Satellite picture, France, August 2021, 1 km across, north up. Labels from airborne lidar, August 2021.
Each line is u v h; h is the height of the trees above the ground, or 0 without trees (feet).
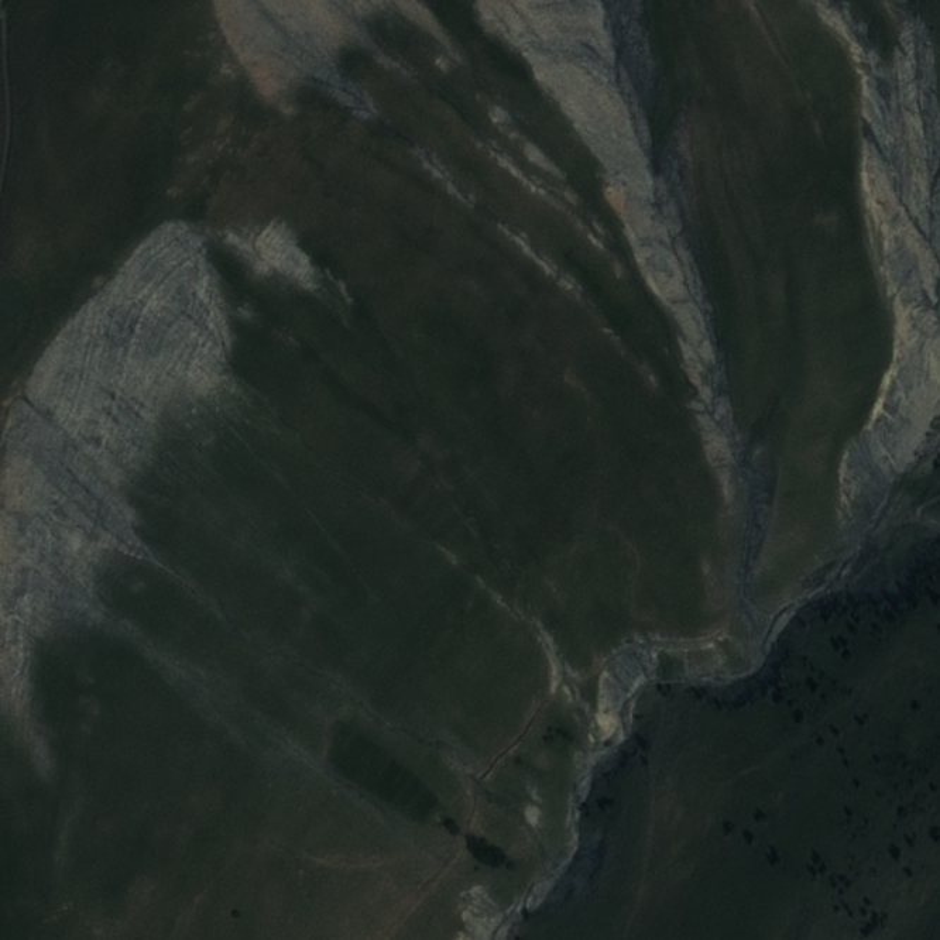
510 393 0
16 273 0
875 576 0
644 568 0
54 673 0
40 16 0
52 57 0
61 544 0
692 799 0
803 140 0
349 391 0
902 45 0
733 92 0
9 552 0
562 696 0
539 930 0
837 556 0
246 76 0
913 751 0
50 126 0
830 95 0
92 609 0
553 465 0
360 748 0
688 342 0
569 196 0
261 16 0
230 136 0
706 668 0
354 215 0
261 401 0
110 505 0
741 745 0
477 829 0
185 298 0
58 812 0
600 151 0
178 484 0
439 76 0
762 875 0
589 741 0
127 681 0
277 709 0
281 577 0
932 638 0
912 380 0
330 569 0
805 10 0
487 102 0
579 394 0
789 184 0
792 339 0
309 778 0
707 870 0
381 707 0
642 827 0
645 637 0
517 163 0
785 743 0
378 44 0
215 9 0
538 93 0
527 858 0
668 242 0
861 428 0
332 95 0
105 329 0
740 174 0
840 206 0
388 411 0
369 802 0
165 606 0
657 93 0
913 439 0
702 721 0
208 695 0
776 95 0
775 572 0
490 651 0
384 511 0
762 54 0
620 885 0
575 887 0
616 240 0
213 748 0
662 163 0
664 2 0
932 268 0
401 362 0
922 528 0
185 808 0
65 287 0
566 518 0
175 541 0
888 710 0
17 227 0
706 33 0
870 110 0
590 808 23
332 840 0
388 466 0
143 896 0
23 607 0
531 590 0
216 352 0
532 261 0
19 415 0
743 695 0
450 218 0
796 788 0
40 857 0
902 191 0
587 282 0
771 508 0
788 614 0
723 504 0
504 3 0
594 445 0
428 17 0
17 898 0
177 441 0
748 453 0
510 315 0
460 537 0
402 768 0
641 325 0
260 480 0
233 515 0
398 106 0
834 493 0
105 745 0
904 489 0
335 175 0
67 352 0
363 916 0
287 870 0
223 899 0
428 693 0
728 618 0
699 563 0
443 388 0
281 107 0
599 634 0
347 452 0
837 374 0
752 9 0
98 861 0
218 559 0
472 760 0
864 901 0
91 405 0
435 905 0
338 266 0
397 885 0
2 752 0
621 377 0
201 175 0
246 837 0
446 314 0
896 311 0
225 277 0
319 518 0
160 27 0
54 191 0
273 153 0
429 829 0
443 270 0
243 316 0
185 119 0
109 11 0
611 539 0
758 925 0
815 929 0
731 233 0
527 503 0
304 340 0
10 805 0
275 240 0
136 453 0
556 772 0
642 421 0
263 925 0
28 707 0
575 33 0
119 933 0
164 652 0
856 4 0
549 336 0
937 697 0
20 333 0
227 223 0
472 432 0
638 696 0
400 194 0
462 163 0
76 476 0
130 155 0
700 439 0
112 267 0
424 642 0
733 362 0
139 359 0
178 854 0
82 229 0
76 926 0
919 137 0
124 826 0
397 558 0
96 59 0
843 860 0
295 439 0
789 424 0
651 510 0
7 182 0
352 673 0
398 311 0
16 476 0
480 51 0
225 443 0
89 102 0
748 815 0
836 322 0
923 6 0
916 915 0
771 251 0
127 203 0
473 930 0
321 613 0
